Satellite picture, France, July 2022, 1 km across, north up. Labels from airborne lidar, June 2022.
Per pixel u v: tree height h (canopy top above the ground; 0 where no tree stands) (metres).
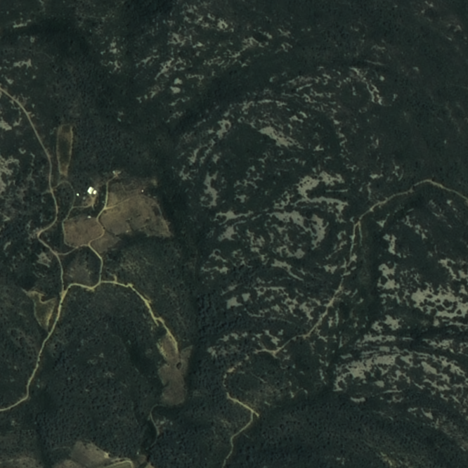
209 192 0
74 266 0
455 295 0
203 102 6
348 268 6
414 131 0
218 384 10
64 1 0
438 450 8
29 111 0
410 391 8
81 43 8
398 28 7
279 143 0
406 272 0
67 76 9
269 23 8
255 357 8
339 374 0
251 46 0
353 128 0
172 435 14
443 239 0
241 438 7
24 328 7
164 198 7
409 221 0
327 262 0
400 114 0
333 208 0
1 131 0
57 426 10
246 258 0
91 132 11
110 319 11
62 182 0
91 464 0
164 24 0
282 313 0
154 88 0
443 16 0
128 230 0
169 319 7
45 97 0
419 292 0
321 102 0
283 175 6
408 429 8
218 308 11
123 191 0
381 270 0
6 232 14
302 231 0
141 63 0
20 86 0
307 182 0
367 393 0
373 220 0
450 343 0
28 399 0
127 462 0
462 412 0
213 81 6
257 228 0
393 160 0
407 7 0
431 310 0
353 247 0
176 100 0
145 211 0
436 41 0
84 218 0
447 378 0
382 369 0
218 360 7
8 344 11
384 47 0
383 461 9
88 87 7
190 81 0
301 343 7
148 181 0
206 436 8
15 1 0
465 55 0
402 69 0
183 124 7
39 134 0
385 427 10
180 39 0
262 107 0
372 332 7
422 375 0
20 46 0
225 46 0
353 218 0
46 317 0
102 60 0
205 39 0
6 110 0
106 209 0
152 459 15
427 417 0
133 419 9
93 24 8
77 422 7
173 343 0
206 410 9
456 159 0
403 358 0
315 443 7
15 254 6
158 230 0
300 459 8
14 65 0
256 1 0
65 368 9
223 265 0
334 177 0
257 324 7
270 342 0
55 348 9
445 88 6
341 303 7
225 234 0
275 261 0
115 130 7
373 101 0
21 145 0
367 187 0
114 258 7
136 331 7
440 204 6
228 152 0
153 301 0
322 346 0
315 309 0
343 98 0
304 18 0
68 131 0
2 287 0
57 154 0
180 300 7
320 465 10
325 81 0
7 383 0
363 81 0
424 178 0
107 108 8
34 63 0
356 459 7
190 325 6
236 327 12
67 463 0
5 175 0
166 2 7
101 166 7
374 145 0
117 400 10
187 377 6
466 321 7
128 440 9
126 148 7
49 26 9
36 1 0
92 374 10
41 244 7
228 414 7
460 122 0
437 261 0
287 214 0
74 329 7
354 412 13
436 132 0
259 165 0
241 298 0
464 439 8
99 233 0
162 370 0
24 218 12
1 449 7
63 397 9
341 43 9
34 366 10
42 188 0
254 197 0
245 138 0
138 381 8
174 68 0
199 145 0
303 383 6
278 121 0
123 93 13
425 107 8
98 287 0
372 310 6
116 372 10
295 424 9
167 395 0
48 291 6
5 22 0
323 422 7
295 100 0
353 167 0
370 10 7
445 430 0
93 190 0
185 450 12
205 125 0
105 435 7
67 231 0
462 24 0
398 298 0
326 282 7
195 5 0
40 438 8
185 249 7
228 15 0
